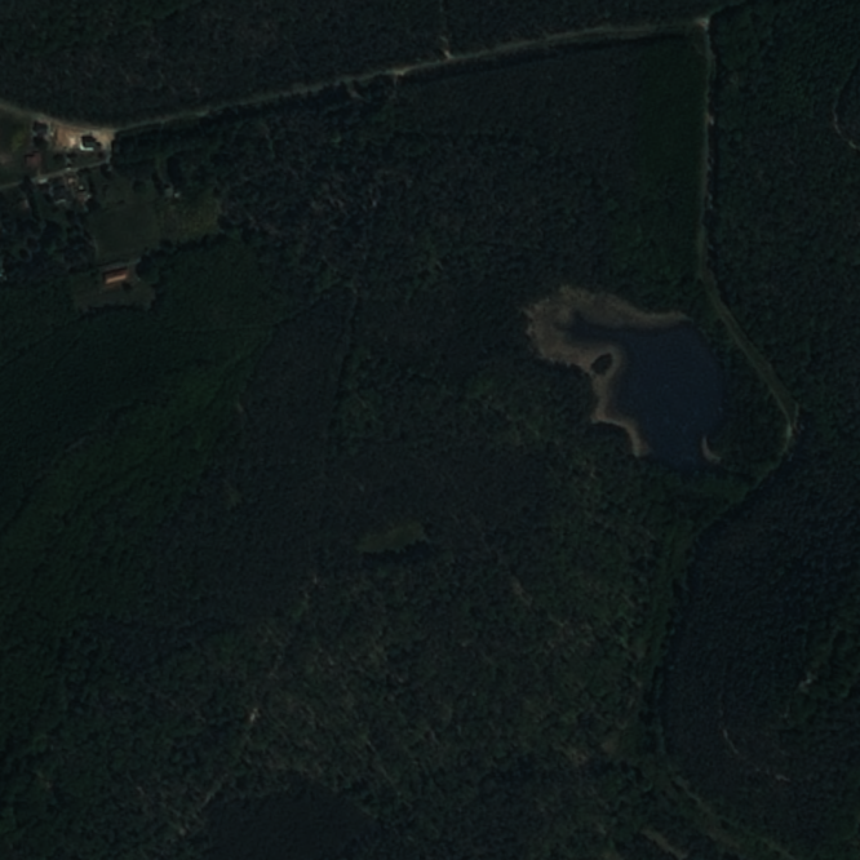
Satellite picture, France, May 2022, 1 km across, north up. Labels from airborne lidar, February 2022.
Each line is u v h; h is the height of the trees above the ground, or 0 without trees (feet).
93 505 81
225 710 111
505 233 105
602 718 87
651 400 0
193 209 0
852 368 89
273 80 66
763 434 87
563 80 66
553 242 103
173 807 80
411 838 101
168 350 0
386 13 74
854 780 76
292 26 86
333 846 43
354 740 84
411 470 73
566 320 0
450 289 75
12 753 90
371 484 66
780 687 63
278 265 50
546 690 94
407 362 62
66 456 55
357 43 88
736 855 0
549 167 106
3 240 58
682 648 74
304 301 68
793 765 76
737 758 53
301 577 67
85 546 90
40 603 96
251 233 85
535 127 64
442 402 106
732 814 76
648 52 0
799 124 81
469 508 58
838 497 66
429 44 82
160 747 92
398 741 88
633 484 77
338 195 103
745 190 92
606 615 90
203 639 80
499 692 98
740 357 76
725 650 73
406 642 88
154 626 77
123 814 92
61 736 97
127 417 60
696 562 71
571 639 77
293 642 90
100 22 87
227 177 110
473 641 92
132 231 0
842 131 34
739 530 88
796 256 96
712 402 0
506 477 77
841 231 80
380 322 68
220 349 0
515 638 87
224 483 85
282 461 65
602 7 87
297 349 78
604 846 83
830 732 111
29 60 69
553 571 104
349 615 95
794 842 61
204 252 0
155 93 71
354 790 36
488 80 68
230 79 75
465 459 75
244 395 79
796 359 87
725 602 89
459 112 65
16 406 0
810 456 96
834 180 76
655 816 94
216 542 81
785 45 94
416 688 88
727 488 94
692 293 88
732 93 80
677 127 0
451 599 98
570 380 89
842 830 86
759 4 100
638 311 0
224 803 93
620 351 0
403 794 81
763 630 81
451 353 64
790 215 86
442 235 75
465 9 84
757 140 89
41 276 79
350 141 115
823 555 85
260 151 104
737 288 94
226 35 61
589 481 79
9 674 94
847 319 95
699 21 0
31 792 116
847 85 28
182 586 74
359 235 101
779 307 82
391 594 92
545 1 85
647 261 77
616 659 105
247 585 77
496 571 83
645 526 83
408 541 0
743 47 102
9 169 0
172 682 74
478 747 90
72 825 81
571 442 88
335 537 67
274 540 76
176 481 81
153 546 89
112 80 73
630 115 53
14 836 82
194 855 80
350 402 94
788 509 100
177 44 76
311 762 89
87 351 0
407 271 98
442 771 93
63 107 62
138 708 79
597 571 73
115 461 96
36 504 65
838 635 98
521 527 92
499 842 91
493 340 55
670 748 92
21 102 66
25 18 66
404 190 112
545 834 86
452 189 99
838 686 107
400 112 66
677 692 81
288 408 65
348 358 63
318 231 104
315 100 31
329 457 82
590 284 56
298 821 45
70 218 47
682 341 0
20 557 84
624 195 61
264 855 39
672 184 36
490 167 99
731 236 85
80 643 86
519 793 106
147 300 0
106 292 0
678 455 0
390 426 85
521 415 70
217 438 77
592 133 57
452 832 98
